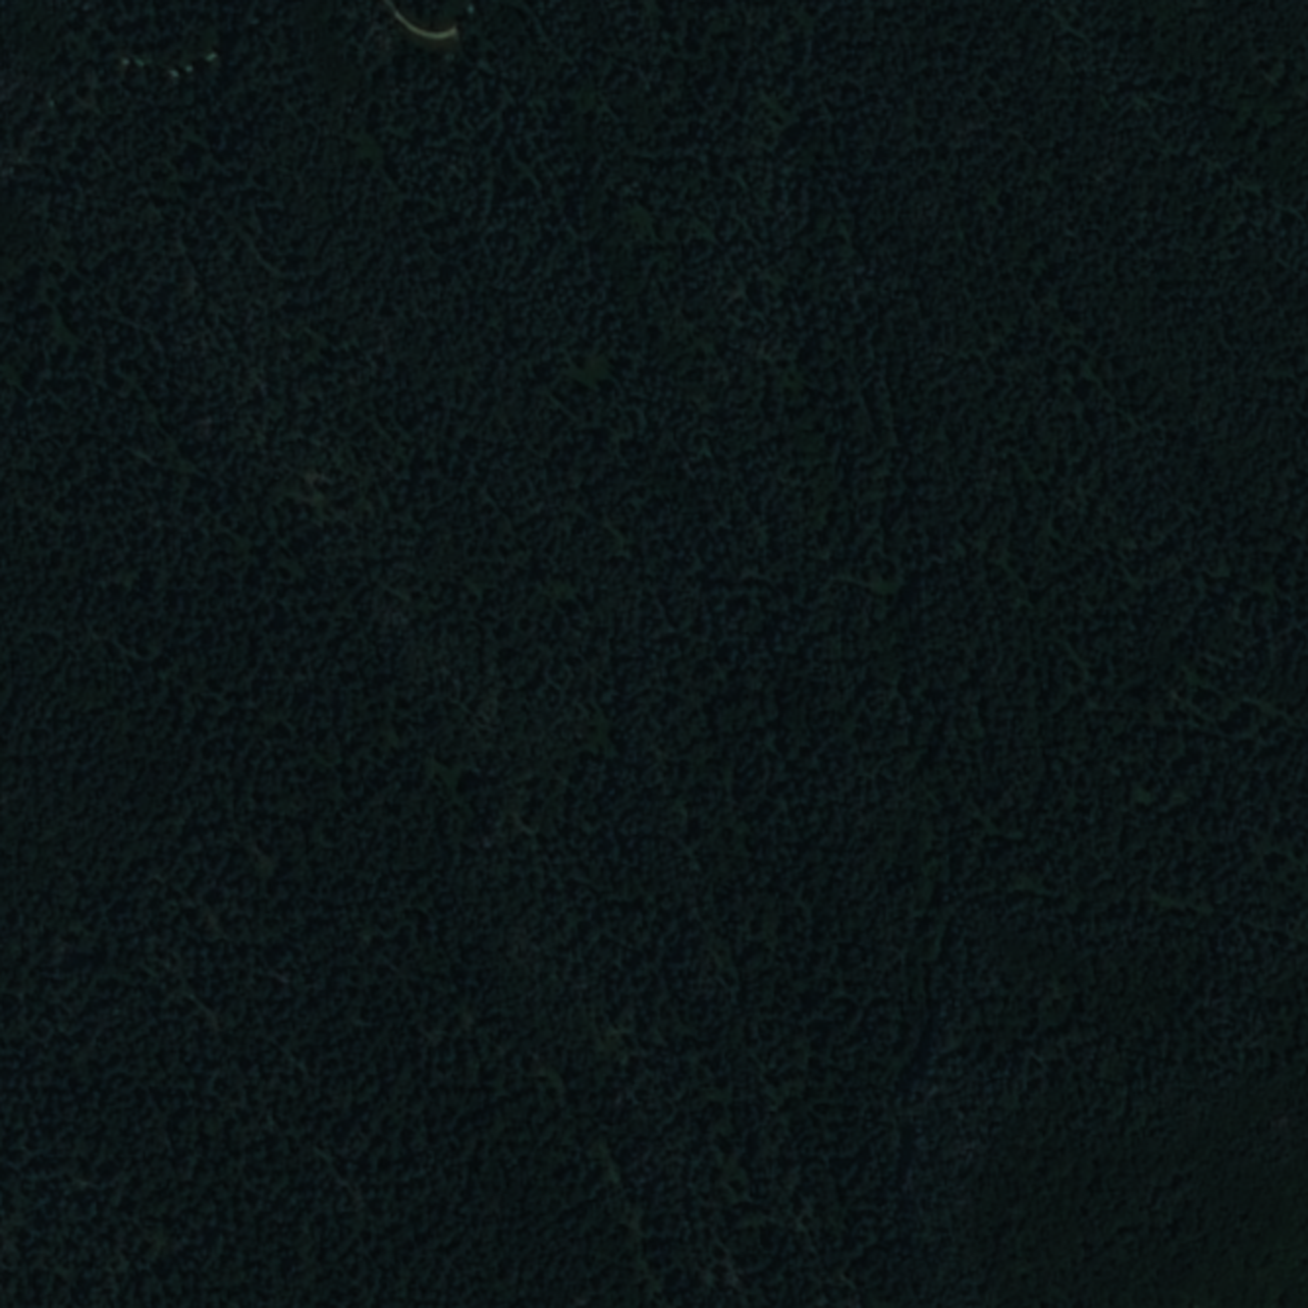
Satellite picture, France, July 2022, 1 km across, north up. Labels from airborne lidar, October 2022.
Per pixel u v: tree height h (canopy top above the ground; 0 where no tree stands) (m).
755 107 24
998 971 14
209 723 17
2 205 24
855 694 17
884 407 22
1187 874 19
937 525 15
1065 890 15
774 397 18
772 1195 14
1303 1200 13
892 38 23
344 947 16
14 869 26
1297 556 21
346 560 21
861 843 16
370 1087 22
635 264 20
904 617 13
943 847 8
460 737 24
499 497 27
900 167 19
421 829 9
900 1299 22
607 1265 14
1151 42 16
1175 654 19
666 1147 20
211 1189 7
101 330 20
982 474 13
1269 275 19
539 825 15
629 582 19
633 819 26
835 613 16
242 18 23
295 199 18
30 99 25
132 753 21
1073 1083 13
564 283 26
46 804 23
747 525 27
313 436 21
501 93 27
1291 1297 23
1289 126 20
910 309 21
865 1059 16
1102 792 9
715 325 21
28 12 23
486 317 20
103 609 25
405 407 25
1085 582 20
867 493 24
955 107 17
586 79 18
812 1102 10
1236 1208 20
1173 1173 20
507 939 11
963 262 18
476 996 27
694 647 20
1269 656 22
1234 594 27
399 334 16
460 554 18
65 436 18
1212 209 12
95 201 8
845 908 18
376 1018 17
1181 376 16
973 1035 21
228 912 26
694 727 18
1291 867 18
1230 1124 21
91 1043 30
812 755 28
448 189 27
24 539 23
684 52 22
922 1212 19
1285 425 15
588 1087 16
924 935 22
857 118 11
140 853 20
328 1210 19
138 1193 20
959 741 15
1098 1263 20
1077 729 14
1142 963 24
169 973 17
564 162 26
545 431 22
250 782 20
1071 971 17
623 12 26
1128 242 19
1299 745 18
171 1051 14
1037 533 21
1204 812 18
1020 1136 20
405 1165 10
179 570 25
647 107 16
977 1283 13
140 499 20
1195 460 18
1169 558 22
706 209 28
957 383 16
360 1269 22
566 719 18
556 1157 6
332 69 15
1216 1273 16
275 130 16
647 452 24
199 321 29
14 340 18
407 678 27
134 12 28
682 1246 15
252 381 26
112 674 27
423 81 24
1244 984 25
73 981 25
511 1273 23
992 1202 15
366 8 23
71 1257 23
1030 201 17
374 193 12
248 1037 9
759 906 22
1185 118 20
